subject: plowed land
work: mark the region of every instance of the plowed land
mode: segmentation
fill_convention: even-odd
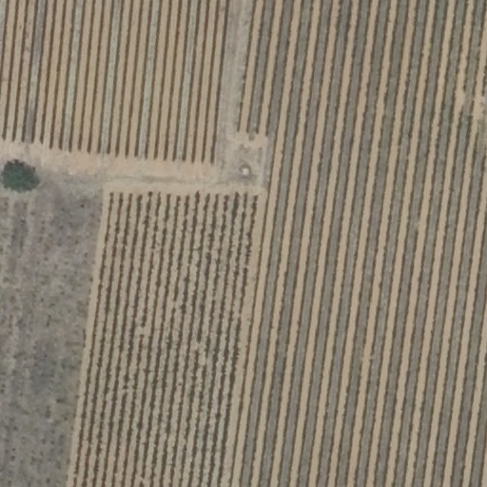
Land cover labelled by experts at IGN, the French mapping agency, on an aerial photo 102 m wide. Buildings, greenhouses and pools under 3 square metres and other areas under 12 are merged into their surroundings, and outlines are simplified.
[[[219,185],[219,167],[209,162],[175,162],[158,158],[148,160],[120,154],[116,156],[91,154],[82,150],[61,150],[49,148],[48,143],[44,141],[15,143],[11,141],[11,133],[6,135],[6,139],[0,139],[0,171],[4,171],[4,166],[13,160],[34,167],[34,171],[40,167],[46,171],[68,171],[70,175],[91,175],[97,169],[103,169],[107,171],[107,183],[103,188],[103,202],[108,202],[110,192],[122,192],[124,202],[127,202],[129,194],[139,196],[143,192],[160,192],[171,194],[171,204],[175,204],[177,196],[188,196],[190,204],[194,204],[196,192],[205,196],[236,194],[238,183]]]

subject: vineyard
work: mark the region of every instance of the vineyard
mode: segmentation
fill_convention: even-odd
[[[0,171],[0,487],[487,487],[487,0],[0,0],[0,139],[6,139],[6,135],[11,133],[11,141],[15,143],[44,141],[48,143],[49,148],[61,150],[82,150],[91,154],[116,156],[120,154],[148,160],[158,158],[175,162],[209,162],[219,167],[219,185],[238,183],[236,194],[205,196],[196,192],[194,204],[190,204],[188,196],[177,196],[175,204],[171,204],[171,194],[160,192],[143,192],[139,196],[129,194],[127,202],[124,202],[122,192],[110,192],[108,202],[103,202],[103,188],[107,183],[107,171],[103,169],[97,169],[91,175],[70,175],[68,171],[46,171],[40,167],[34,171],[34,167],[13,160],[4,166],[4,171]]]

